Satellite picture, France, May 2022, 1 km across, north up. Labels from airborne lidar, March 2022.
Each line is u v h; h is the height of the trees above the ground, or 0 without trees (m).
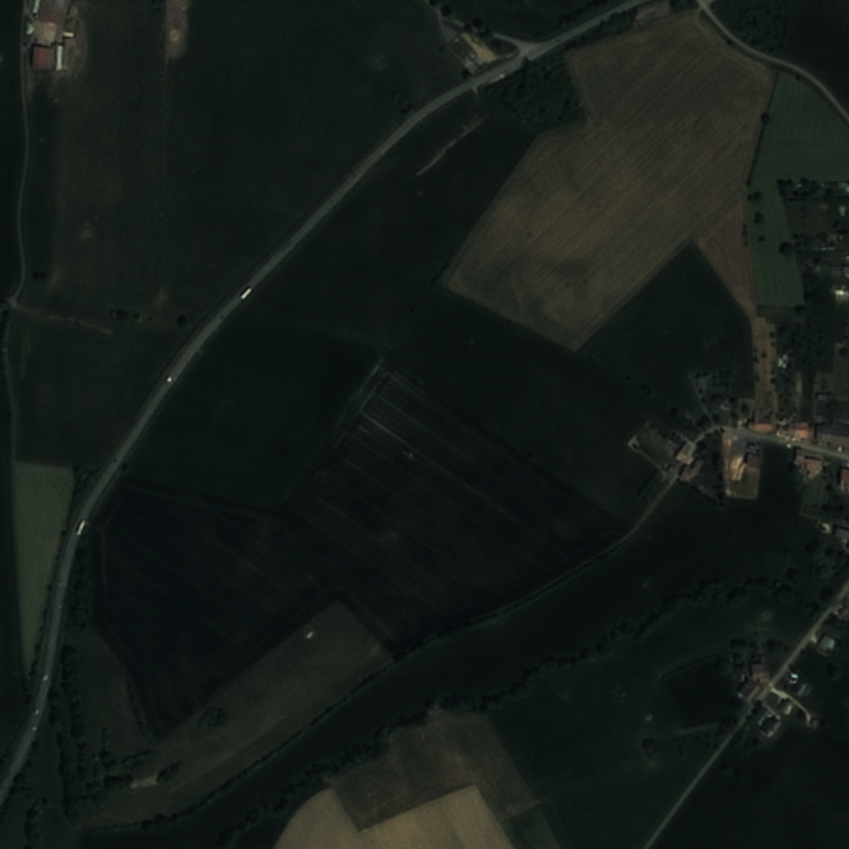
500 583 0
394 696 0
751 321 0
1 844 0
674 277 0
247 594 0
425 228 0
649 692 0
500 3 0
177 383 0
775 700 0
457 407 0
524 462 0
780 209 0
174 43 0
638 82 0
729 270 0
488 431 0
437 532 0
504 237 0
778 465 0
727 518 0
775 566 0
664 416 0
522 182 0
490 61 0
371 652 0
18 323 0
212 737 0
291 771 0
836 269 0
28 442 0
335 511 0
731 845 0
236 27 0
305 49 0
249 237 0
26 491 0
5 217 0
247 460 0
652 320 0
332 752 0
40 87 0
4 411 0
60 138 0
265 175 0
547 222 0
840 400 0
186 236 0
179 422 0
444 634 8
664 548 0
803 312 12
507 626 0
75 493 6
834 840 0
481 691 0
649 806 0
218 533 0
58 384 0
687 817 0
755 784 0
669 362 0
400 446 0
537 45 0
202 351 0
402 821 0
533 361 0
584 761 0
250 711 0
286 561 0
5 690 0
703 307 0
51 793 0
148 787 0
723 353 0
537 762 0
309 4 0
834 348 0
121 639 0
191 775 0
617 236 0
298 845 0
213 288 0
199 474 0
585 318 0
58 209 0
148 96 0
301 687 0
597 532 0
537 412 0
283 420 0
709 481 0
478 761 0
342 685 0
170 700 0
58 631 0
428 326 0
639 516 0
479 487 0
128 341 0
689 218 0
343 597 0
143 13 0
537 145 0
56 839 0
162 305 0
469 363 0
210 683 0
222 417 0
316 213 0
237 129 0
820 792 0
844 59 0
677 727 0
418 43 0
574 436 0
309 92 0
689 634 0
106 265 0
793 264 0
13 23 0
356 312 0
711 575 0
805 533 0
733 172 0
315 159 0
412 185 0
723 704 0
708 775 0
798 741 0
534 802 0
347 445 0
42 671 0
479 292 0
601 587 0
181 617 0
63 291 0
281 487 0
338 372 0
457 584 0
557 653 0
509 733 0
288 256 0
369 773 0
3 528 0
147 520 0
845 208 0
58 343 0
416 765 0
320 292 0
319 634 0
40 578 0
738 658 8
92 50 0
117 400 0
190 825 0
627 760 0
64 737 12
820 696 0
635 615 0
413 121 0
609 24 11
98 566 0
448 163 0
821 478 0
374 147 0
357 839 0
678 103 0
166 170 0
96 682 0
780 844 0
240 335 0
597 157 0
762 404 0
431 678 0
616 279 0
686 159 0
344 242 0
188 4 0
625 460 0
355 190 0
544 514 0
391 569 0
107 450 0
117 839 0
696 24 0
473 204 0
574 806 0
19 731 0
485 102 0
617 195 0
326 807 0
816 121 0
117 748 0
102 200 0
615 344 0
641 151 0
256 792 0
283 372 0
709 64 0
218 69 0
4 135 0
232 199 0
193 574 0
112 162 0
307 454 0
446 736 0
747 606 0
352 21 0
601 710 0
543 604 0
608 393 0
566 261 0
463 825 0
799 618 0
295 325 0
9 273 0
